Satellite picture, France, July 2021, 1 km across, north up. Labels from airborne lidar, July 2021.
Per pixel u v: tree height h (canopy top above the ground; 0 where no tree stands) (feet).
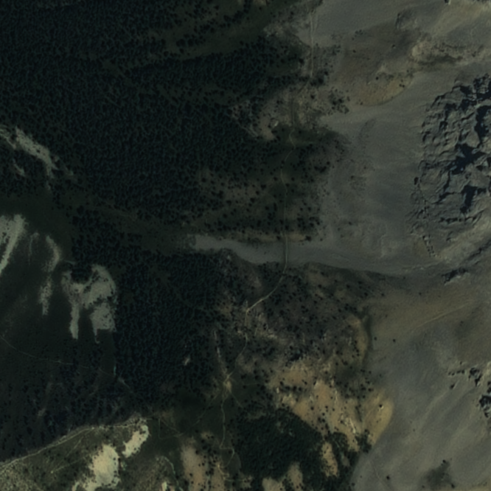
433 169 0
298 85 0
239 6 0
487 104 0
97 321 0
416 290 0
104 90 41
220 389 0
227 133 42
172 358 47
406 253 0
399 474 0
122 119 35
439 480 0
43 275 0
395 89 0
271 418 18
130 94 64
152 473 0
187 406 0
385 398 0
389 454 0
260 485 23
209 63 56
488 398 0
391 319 0
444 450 0
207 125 45
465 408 0
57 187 47
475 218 0
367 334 0
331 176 0
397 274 0
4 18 68
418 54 0
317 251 0
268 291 0
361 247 0
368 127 0
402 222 0
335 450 21
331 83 0
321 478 21
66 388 0
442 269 0
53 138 54
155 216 30
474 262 0
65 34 67
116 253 52
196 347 45
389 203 0
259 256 0
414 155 0
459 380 0
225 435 0
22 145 0
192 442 0
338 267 0
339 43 0
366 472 0
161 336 48
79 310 0
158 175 49
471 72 0
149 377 33
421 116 0
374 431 0
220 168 45
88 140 49
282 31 0
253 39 0
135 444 0
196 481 0
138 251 52
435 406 0
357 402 0
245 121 31
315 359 0
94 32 68
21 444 37
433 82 0
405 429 0
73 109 50
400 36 0
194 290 54
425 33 0
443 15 0
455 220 0
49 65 70
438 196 0
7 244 0
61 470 0
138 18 52
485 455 0
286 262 0
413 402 0
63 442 0
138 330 31
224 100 0
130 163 41
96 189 29
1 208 0
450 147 0
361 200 0
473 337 0
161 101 68
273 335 0
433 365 0
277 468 30
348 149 0
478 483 0
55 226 0
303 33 0
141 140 36
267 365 0
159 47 35
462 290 0
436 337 0
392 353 0
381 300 0
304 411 0
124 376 27
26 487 0
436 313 0
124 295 27
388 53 0
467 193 0
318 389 0
